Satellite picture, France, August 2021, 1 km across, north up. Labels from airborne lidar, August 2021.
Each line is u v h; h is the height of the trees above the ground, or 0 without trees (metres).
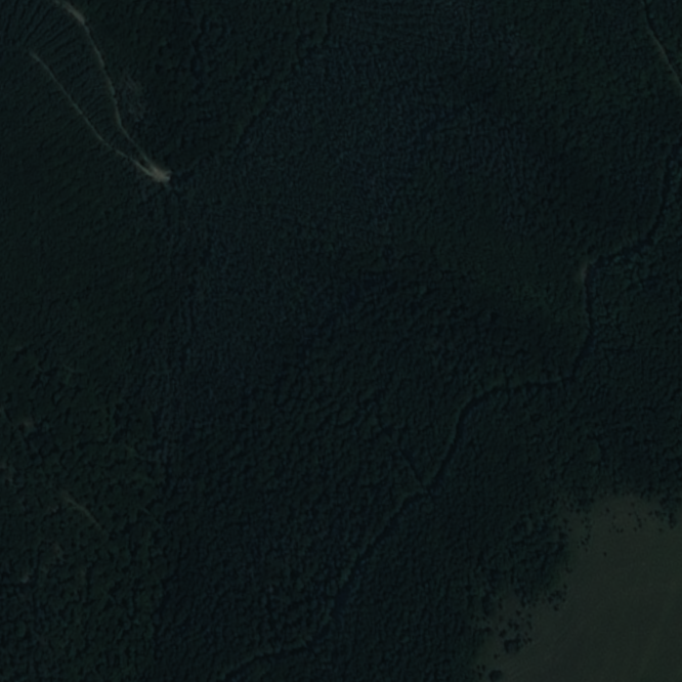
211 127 29
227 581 23
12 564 20
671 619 0
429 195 21
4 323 20
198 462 25
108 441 24
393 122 18
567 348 24
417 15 14
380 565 18
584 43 13
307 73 18
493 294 23
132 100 27
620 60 17
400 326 24
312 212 19
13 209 18
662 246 20
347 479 26
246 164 18
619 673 0
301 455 26
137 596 23
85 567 20
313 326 17
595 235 19
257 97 18
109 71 14
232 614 21
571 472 17
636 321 23
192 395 19
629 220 23
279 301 20
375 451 23
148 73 25
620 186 27
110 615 21
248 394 19
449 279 28
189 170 18
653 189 22
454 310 22
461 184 25
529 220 21
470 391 19
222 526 25
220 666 20
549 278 24
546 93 24
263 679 12
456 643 12
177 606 20
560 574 11
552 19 20
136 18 25
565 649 0
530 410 24
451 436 25
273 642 13
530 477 16
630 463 19
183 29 31
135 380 17
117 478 28
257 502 24
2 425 21
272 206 15
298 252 18
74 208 24
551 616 0
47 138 14
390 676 14
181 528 27
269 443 28
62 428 28
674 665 0
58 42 18
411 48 21
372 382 23
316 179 21
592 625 0
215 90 24
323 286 22
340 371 33
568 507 6
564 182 23
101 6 24
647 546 0
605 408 24
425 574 19
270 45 25
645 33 20
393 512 22
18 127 16
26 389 31
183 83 24
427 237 20
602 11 16
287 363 18
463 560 14
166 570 24
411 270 25
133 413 30
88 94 14
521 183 25
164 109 24
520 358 24
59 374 25
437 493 20
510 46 28
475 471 19
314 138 17
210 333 26
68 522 19
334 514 23
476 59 18
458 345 24
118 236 24
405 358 25
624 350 20
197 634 24
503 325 26
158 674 21
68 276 21
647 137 19
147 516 10
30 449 10
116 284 21
